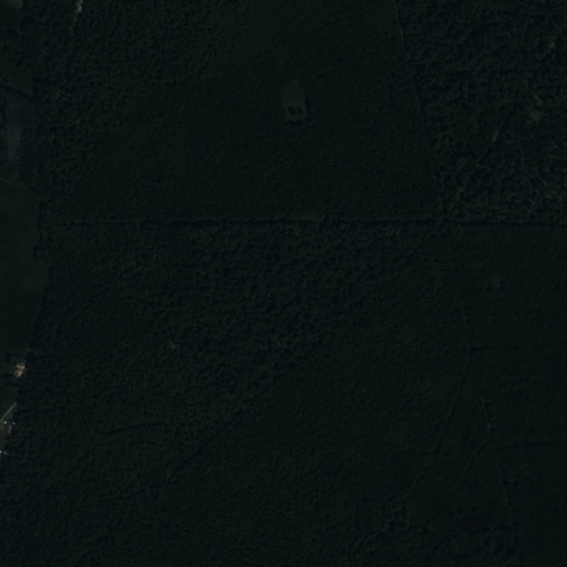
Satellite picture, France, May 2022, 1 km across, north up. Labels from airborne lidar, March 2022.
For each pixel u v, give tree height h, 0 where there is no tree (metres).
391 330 21
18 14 0
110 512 22
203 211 19
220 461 22
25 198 0
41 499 26
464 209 28
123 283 26
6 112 24
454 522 12
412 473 22
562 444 19
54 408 21
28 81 0
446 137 18
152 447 19
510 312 18
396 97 21
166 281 27
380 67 15
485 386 17
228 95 15
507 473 16
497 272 16
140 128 14
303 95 0
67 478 25
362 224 19
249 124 15
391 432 21
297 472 22
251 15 17
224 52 17
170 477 21
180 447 19
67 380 21
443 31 14
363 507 24
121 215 19
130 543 25
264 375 29
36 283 0
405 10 13
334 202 20
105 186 13
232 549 21
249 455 22
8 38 21
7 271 0
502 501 17
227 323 28
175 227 28
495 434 15
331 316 30
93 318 20
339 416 23
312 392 22
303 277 30
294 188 19
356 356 18
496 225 16
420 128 21
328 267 30
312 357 23
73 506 22
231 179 19
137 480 16
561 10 30
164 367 20
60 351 20
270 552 24
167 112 16
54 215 17
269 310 31
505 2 31
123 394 21
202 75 19
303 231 29
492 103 32
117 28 24
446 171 33
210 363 21
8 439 9
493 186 29
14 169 21
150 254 28
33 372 16
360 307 22
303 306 30
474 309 15
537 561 20
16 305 0
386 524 19
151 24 23
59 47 21
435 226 24
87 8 19
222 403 21
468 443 16
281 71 12
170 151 15
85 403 21
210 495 21
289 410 22
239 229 25
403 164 19
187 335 24
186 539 21
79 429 21
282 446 24
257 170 17
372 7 14
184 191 16
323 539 22
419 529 11
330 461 25
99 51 22
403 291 20
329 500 23
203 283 28
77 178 22
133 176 14
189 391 21
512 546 11
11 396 0
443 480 13
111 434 19
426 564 20
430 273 22
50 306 17
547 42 22
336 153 21
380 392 23
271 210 13
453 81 33
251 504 23
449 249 17
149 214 17
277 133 17
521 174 25
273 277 28
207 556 20
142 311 21
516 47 36
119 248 24
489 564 24
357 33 15
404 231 28
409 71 16
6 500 21
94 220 19
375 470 22
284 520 21
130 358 21
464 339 20
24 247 0
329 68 17
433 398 19
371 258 29
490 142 13
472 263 20
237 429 23
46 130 26
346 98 16
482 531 14
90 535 21
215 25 18
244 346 28
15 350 0
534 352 16
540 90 32
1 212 0
